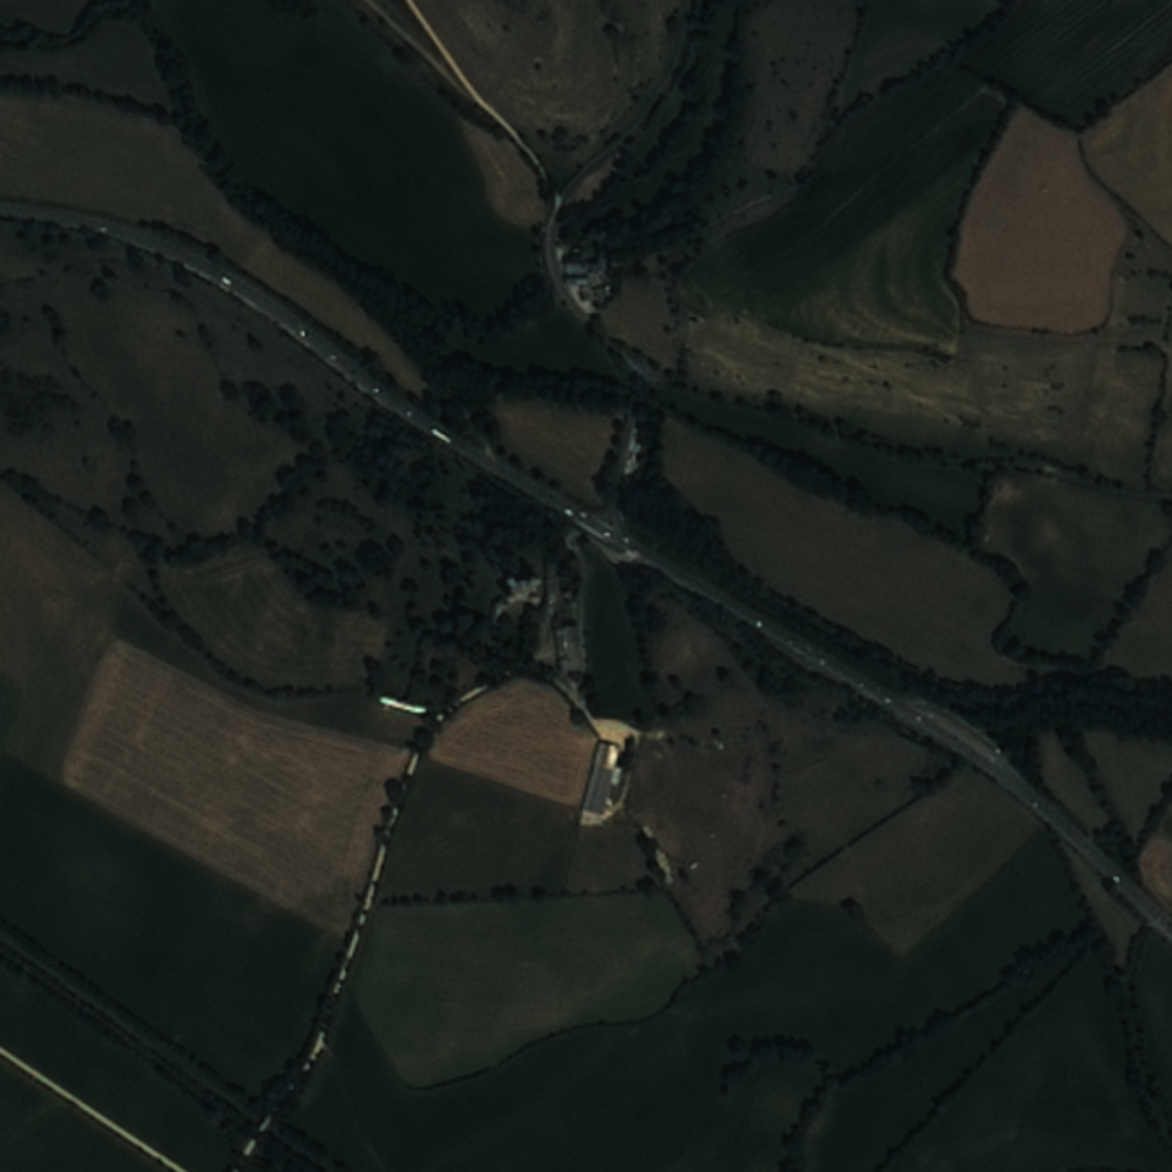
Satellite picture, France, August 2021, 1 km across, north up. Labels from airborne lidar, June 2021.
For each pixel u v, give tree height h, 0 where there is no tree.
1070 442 0
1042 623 0
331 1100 0
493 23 0
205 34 0
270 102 0
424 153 0
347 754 0
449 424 16
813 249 0
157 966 0
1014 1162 0
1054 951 14
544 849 0
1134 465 0
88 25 9
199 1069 8
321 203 0
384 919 0
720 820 0
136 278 0
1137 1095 8
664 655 0
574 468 0
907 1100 0
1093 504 0
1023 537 0
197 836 0
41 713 0
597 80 0
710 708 0
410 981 0
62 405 6
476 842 0
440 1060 0
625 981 0
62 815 0
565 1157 0
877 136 0
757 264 0
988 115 0
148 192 0
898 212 0
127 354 0
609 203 14
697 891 0
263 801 0
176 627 7
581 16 0
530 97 0
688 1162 0
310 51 0
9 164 0
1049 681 11
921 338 0
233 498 0
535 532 11
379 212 0
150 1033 8
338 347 8
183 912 0
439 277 0
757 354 0
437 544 24
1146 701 30
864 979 0
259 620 0
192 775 0
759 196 0
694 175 14
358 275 26
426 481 15
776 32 0
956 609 0
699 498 0
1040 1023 0
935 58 8
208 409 0
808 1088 0
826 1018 0
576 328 0
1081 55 0
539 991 0
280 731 0
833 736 0
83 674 0
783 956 0
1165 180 0
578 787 0
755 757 0
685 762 0
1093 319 0
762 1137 0
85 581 0
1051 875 0
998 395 0
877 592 0
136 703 0
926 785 12
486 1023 0
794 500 0
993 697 15
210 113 0
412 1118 0
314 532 0
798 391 0
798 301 0
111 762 0
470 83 0
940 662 0
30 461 0
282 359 0
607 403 29
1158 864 0
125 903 0
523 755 0
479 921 0
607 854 0
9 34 9
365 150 0
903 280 0
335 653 0
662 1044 0
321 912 0
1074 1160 0
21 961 9
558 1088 0
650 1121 0
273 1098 11
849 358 0
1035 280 0
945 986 0
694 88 19
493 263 0
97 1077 0
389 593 0
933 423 0
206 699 0
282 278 0
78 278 0
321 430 0
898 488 0
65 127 0
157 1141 0
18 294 0
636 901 0
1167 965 0
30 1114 0
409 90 0
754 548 0
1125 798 0
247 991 0
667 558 0
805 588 0
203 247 8
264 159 0
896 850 0
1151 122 0
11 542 0
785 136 0
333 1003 10
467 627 22
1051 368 0
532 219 0
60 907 0
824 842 0
